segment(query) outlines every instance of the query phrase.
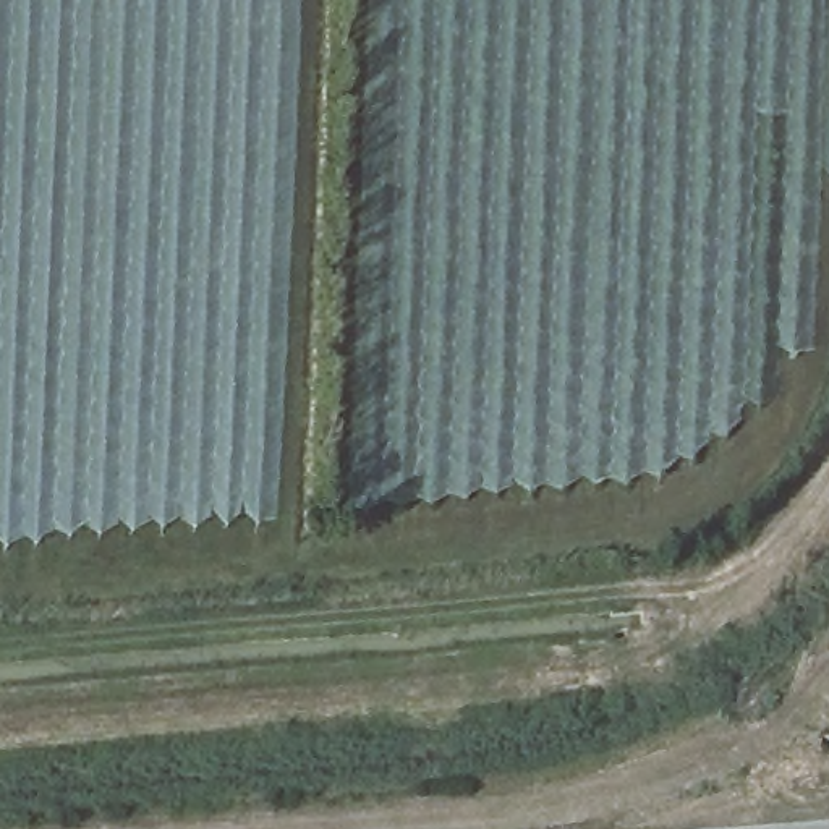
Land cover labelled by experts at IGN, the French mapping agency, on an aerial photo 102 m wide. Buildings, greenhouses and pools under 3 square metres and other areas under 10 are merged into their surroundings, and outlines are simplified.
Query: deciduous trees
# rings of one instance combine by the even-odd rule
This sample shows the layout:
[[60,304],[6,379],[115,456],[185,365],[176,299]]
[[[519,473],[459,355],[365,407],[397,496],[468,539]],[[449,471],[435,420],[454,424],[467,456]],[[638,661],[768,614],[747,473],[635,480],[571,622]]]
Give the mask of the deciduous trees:
[[797,356],[813,0],[0,0],[0,664],[26,657],[178,651],[240,638],[295,641],[369,631],[408,635],[418,628],[483,625],[502,619],[615,615],[638,609],[635,599],[625,596],[622,580],[674,576],[680,570],[674,567],[680,547],[677,534],[661,534],[651,544],[648,557],[622,557],[615,551],[593,551],[583,541],[541,544],[528,534],[499,544],[470,541],[453,547],[415,541],[385,551],[369,531],[392,521],[392,515],[398,512],[415,508],[418,499],[463,499],[473,489],[499,492],[505,486],[563,489],[570,479],[583,476],[589,483],[628,483],[631,476],[644,473],[661,476],[664,466],[677,463],[680,457],[696,457],[696,450],[709,437],[729,434],[745,405],[761,402],[764,363],[771,369],[780,369],[784,356]]
[[[819,544],[806,554],[806,560],[790,563],[777,593],[764,599],[755,622],[729,622],[716,631],[712,641],[703,631],[677,628],[677,622],[654,622],[654,635],[641,644],[631,644],[615,628],[551,631],[528,635],[525,641],[453,641],[450,648],[427,654],[395,648],[324,651],[201,661],[172,674],[91,670],[91,680],[65,674],[65,680],[71,680],[71,693],[91,693],[107,716],[126,709],[130,703],[146,706],[162,699],[201,699],[207,693],[236,693],[243,696],[249,712],[272,712],[278,722],[217,732],[133,735],[113,742],[23,745],[0,751],[0,829],[155,829],[165,823],[217,819],[227,813],[295,813],[301,806],[366,810],[411,797],[508,797],[521,793],[534,780],[567,784],[606,764],[625,761],[625,755],[635,745],[677,732],[690,719],[722,712],[729,722],[758,722],[774,716],[777,709],[784,709],[784,699],[790,693],[797,657],[810,648],[813,635],[829,628],[829,544]],[[531,677],[541,667],[606,670],[609,683],[586,690],[547,690],[534,699],[525,699],[518,693],[518,677]]]
[[696,544],[690,567],[712,570],[732,554],[751,547],[758,538],[748,528],[748,502],[735,502],[725,528]]
[[767,495],[784,479],[797,476],[803,460],[829,427],[829,385],[813,402],[806,427],[790,440],[784,457],[767,470],[761,483],[761,492]]

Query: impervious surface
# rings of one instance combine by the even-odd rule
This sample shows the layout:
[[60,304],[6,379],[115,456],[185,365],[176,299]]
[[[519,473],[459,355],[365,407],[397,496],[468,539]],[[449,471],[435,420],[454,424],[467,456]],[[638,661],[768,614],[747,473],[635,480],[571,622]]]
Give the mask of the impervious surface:
[[712,829],[829,829],[829,819],[767,823]]

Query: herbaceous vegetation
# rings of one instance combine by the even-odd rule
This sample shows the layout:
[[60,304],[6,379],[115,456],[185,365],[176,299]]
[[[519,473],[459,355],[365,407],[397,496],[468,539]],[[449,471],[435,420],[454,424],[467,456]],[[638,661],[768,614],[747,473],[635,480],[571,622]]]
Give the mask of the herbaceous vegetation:
[[784,457],[790,440],[806,427],[813,402],[829,385],[829,0],[813,0],[797,356],[784,356],[780,369],[771,369],[764,363],[761,402],[745,405],[729,434],[709,437],[696,450],[696,457],[680,457],[677,463],[664,466],[661,476],[644,473],[631,476],[628,483],[589,483],[583,476],[570,479],[563,489],[505,486],[499,492],[473,489],[463,499],[418,499],[415,508],[398,512],[392,515],[392,521],[369,531],[385,551],[415,541],[453,547],[470,541],[499,544],[528,534],[541,544],[583,541],[593,551],[615,551],[622,557],[648,557],[651,544],[661,534],[677,534],[680,547],[674,567],[680,570],[690,567],[696,544],[725,528],[735,502],[748,502],[748,528],[758,538],[829,460],[829,427],[803,460],[797,476],[784,479],[767,495],[761,492],[761,483],[767,470]]
[[65,680],[65,674],[91,680],[91,670],[172,674],[201,661],[324,651],[395,648],[427,654],[450,648],[453,641],[525,641],[528,635],[551,631],[615,628],[615,615],[502,619],[483,625],[418,628],[408,635],[369,631],[295,641],[240,638],[178,651],[26,657],[0,664],[0,751],[23,745],[113,742],[133,735],[217,732],[278,722],[272,712],[249,712],[243,696],[236,693],[207,693],[201,699],[162,699],[146,706],[130,703],[126,709],[107,716],[91,693],[71,693],[71,680]]
[[748,774],[748,797],[751,806],[764,803],[767,823],[829,819],[829,771],[816,777],[806,758],[758,761]]
[[586,690],[609,683],[606,670],[541,667],[531,677],[518,677],[518,693],[525,699],[534,699],[547,690]]

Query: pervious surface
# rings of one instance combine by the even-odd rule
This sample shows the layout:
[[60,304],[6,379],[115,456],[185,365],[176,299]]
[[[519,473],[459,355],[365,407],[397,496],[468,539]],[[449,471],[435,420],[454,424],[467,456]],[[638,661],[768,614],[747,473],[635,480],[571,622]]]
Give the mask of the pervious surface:
[[615,628],[631,644],[641,644],[654,635],[654,622],[677,622],[677,628],[703,631],[712,641],[716,631],[729,622],[755,622],[764,599],[777,593],[790,563],[806,560],[806,554],[819,544],[829,544],[829,460],[758,538],[751,547],[732,554],[712,570],[690,567],[680,570],[674,576],[622,580],[625,596],[635,599],[638,609],[615,615]]
[[722,712],[690,719],[677,732],[635,745],[625,755],[625,761],[606,764],[567,784],[534,780],[521,793],[508,797],[411,797],[366,810],[301,806],[295,813],[227,813],[217,819],[165,823],[155,829],[712,829],[767,823],[764,803],[751,806],[748,797],[748,774],[758,761],[806,758],[816,777],[829,771],[829,628],[813,635],[810,648],[797,657],[790,693],[784,699],[784,709],[777,709],[774,716],[758,722],[729,722]]

